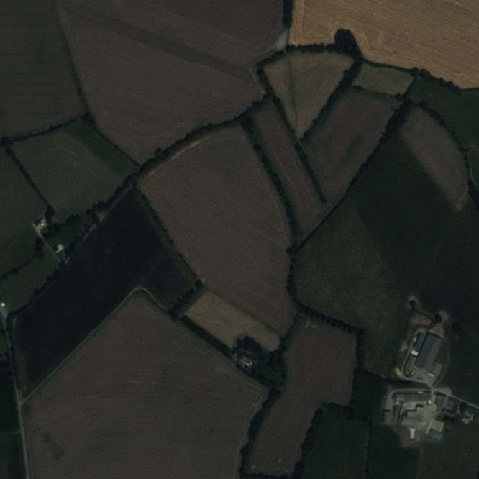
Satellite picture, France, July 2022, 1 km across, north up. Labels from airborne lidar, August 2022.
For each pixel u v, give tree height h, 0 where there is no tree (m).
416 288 0
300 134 0
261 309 0
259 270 0
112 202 11
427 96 0
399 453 0
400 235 0
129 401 0
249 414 0
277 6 0
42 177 0
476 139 0
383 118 0
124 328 0
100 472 0
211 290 0
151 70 0
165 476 0
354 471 0
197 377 0
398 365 0
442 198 0
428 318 0
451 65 0
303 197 0
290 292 15
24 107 0
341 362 0
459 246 0
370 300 0
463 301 0
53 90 0
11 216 0
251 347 27
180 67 0
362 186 0
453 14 0
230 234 0
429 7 0
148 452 0
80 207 0
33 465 0
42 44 0
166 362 0
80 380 0
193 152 0
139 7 0
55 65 0
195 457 0
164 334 0
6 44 0
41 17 0
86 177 0
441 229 0
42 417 0
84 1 0
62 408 0
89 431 0
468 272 0
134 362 0
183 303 18
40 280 0
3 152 0
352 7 0
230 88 0
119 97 0
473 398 0
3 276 8
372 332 0
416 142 0
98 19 0
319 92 0
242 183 0
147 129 0
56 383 0
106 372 0
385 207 0
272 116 0
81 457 0
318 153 0
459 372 0
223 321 0
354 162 0
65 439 0
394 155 0
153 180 0
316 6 0
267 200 0
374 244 0
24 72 0
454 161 0
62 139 0
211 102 0
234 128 0
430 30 0
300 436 0
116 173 0
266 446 0
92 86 0
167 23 0
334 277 0
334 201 0
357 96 0
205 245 0
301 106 0
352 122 0
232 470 0
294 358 0
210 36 0
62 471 0
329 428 0
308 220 0
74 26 0
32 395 0
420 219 0
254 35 0
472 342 0
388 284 0
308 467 0
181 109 0
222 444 0
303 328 0
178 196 0
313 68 0
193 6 0
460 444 0
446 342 0
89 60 0
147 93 0
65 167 0
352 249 0
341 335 0
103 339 0
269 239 0
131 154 0
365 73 0
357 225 0
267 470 0
